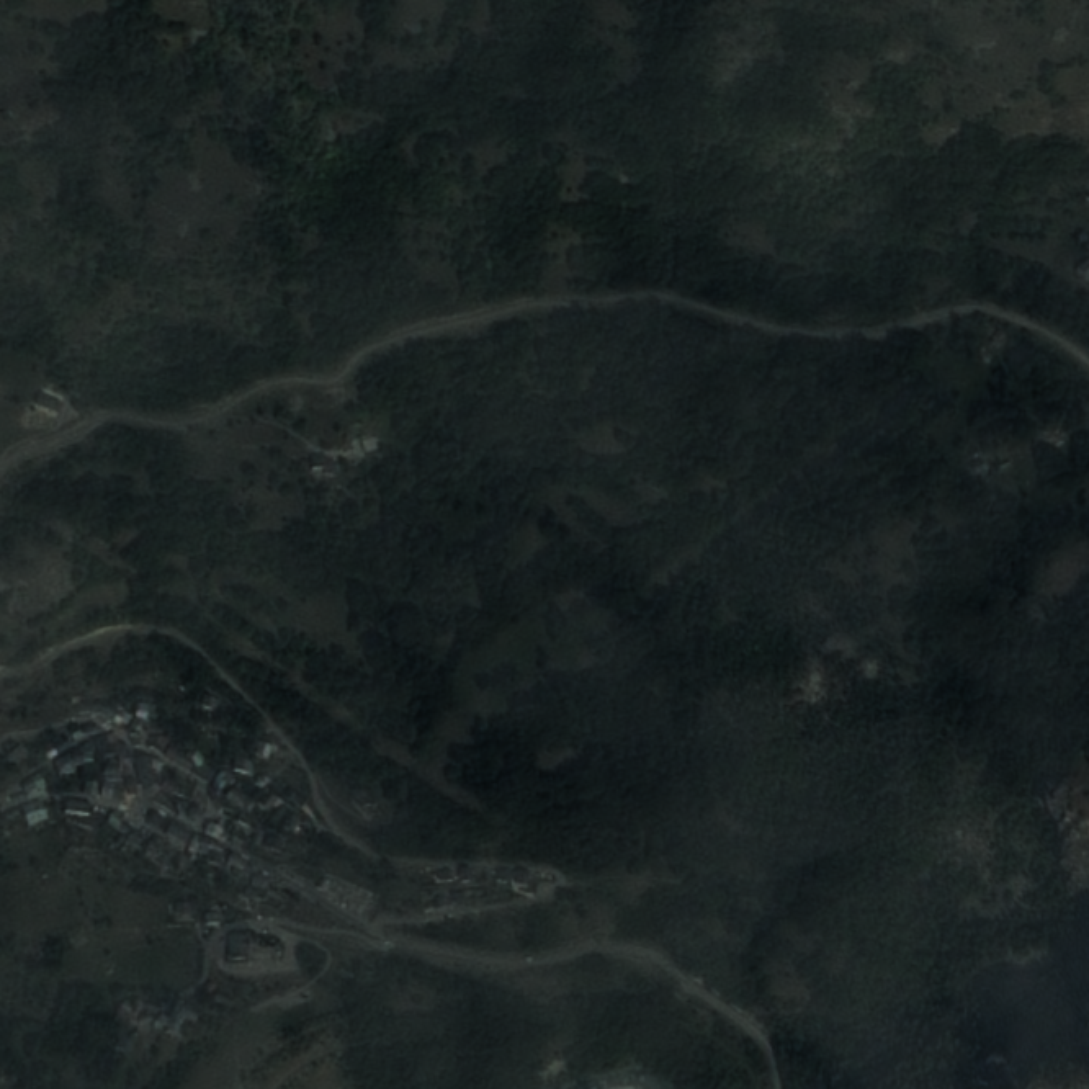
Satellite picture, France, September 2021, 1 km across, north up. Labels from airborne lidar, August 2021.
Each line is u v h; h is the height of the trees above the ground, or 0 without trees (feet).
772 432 59
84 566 33
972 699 82
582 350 63
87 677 43
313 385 0
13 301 53
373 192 81
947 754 47
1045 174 53
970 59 19
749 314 41
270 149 20
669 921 49
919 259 41
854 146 31
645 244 55
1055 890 38
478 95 46
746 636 57
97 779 25
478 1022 73
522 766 54
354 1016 68
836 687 29
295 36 33
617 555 54
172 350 60
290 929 0
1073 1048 18
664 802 61
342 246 52
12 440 0
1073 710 59
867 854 45
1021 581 65
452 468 49
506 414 53
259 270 28
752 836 23
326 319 37
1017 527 68
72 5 0
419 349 50
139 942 0
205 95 20
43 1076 63
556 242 30
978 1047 48
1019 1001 37
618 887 0
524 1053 54
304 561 48
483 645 65
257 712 27
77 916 0
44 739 21
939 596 69
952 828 23
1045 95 44
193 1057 18
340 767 39
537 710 77
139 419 0
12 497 25
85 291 43
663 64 38
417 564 69
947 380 0
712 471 70
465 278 45
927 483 68
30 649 33
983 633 59
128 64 71
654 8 40
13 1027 32
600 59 41
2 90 0
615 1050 69
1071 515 36
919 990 24
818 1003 45
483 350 54
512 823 81
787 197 24
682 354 66
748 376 64
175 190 0
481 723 39
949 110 36
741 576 66
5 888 0
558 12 67
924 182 67
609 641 41
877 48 23
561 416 72
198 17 0
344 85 46
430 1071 73
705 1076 56
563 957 0
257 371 58
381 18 51
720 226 45
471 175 71
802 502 57
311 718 72
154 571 75
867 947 48
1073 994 34
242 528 41
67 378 35
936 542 31
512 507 34
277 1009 0
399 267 47
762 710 23
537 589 74
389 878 28
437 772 0
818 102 28
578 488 58
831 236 26
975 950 52
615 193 67
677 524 69
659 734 63
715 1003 0
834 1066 53
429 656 66
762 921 28
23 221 24
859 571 25
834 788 37
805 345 58
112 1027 42
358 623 40
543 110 72
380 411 53
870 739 52
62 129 44
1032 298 48
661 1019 62
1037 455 34
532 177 65
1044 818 40
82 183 37
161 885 21
